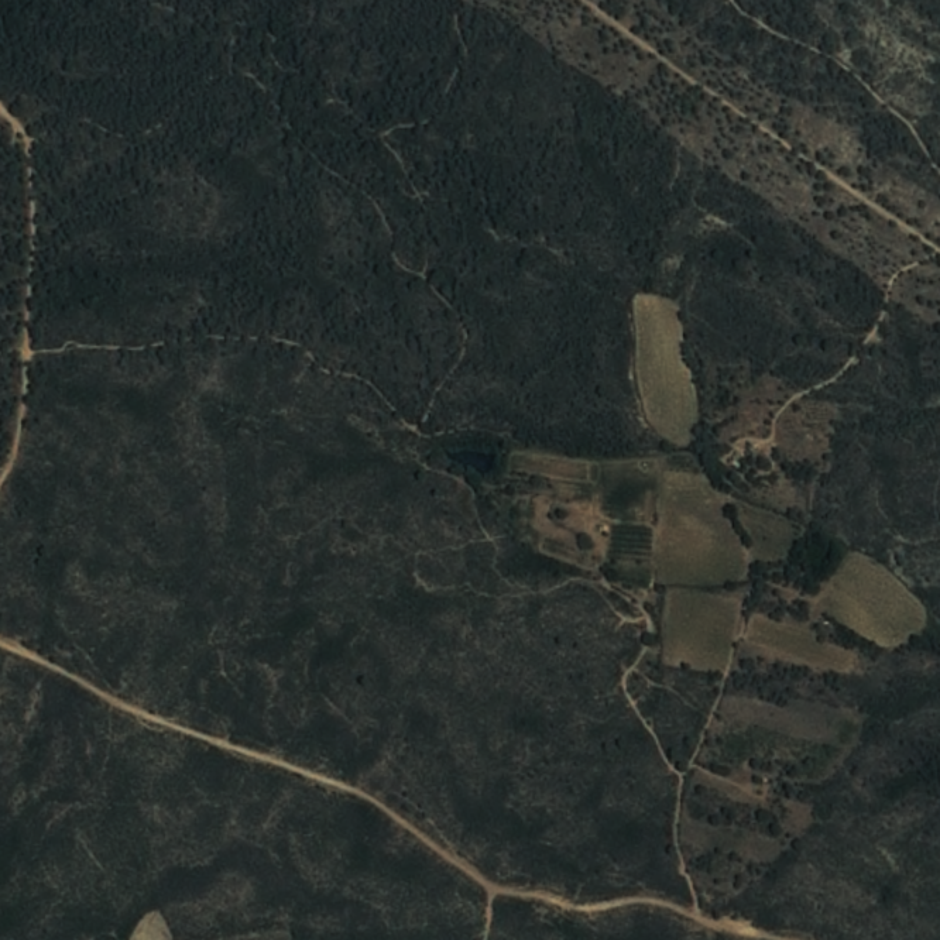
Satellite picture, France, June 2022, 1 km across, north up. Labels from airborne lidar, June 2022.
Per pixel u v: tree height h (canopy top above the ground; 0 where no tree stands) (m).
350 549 0
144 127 12
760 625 0
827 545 7
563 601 0
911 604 0
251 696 0
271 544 0
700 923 0
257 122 11
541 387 0
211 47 9
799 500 0
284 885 0
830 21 0
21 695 0
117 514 0
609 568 7
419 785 0
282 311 10
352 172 10
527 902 0
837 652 0
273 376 0
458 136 8
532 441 10
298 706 0
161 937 0
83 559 0
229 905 0
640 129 10
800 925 0
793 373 7
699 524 0
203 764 0
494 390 0
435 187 12
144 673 0
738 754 0
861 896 0
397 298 6
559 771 0
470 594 0
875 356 11
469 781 0
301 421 0
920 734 0
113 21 12
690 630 0
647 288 7
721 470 9
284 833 0
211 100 11
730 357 0
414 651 0
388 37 10
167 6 6
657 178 7
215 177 10
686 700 0
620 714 0
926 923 0
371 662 0
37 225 9
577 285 8
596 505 0
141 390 0
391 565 0
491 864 0
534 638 0
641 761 0
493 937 0
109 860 0
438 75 13
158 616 0
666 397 0
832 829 0
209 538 0
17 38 13
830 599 0
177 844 0
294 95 10
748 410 0
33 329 13
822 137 0
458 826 0
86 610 0
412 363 0
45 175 12
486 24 11
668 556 0
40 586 0
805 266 7
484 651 0
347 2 8
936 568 0
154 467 0
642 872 0
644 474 0
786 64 8
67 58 8
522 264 12
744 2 8
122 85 12
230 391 0
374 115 11
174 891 0
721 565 0
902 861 0
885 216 0
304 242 10
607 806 0
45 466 0
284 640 0
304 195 10
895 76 0
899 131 10
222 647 0
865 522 0
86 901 0
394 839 0
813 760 10
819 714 0
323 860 0
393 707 0
